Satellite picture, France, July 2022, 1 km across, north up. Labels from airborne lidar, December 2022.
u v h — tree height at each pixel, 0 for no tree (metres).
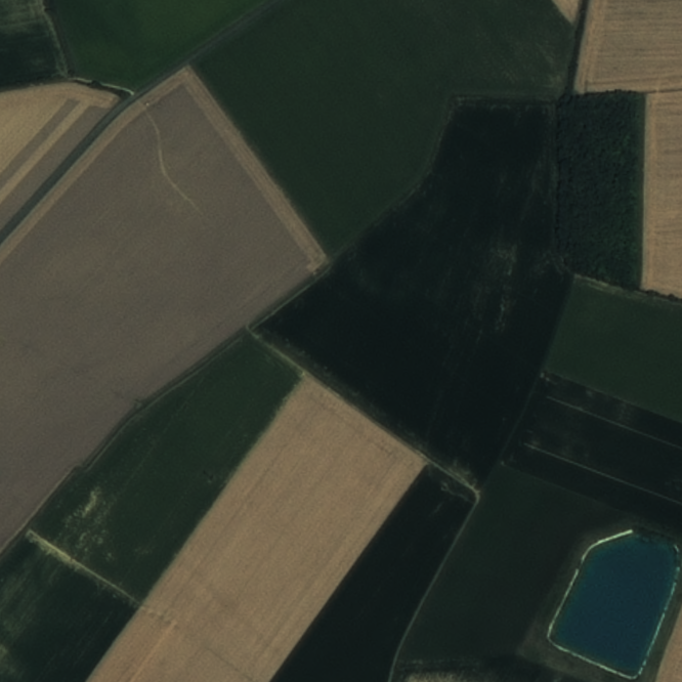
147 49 0
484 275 0
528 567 0
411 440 0
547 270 0
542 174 0
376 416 0
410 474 0
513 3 0
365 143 0
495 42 0
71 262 0
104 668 0
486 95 0
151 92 0
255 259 0
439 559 0
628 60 0
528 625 0
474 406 0
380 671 0
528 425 0
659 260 0
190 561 0
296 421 0
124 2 0
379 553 0
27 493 0
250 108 0
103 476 0
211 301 0
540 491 0
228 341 0
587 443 0
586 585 0
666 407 0
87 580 0
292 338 0
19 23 0
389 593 0
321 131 0
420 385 0
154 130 0
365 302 0
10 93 0
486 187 0
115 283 0
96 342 0
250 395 0
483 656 0
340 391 0
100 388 0
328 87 0
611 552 0
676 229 0
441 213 0
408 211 0
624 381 0
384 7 0
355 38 0
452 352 0
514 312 0
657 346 0
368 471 0
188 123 0
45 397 0
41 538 0
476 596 0
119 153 0
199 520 0
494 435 0
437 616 0
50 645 0
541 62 0
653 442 0
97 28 0
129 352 0
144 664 0
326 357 0
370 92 0
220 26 0
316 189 0
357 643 0
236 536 0
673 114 0
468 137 0
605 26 0
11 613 0
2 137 0
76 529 0
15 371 0
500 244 0
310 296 0
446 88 0
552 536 0
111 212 0
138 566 0
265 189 0
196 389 0
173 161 0
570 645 0
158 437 0
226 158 0
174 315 0
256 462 0
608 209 12
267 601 0
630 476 0
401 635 0
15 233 0
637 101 15
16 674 0
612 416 0
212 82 0
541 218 0
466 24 0
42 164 0
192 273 0
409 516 0
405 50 0
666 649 0
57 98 0
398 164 0
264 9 0
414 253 0
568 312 0
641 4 0
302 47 0
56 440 0
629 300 0
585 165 16
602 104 18
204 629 0
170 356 0
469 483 0
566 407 0
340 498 0
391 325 0
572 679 0
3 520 0
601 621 0
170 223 0
